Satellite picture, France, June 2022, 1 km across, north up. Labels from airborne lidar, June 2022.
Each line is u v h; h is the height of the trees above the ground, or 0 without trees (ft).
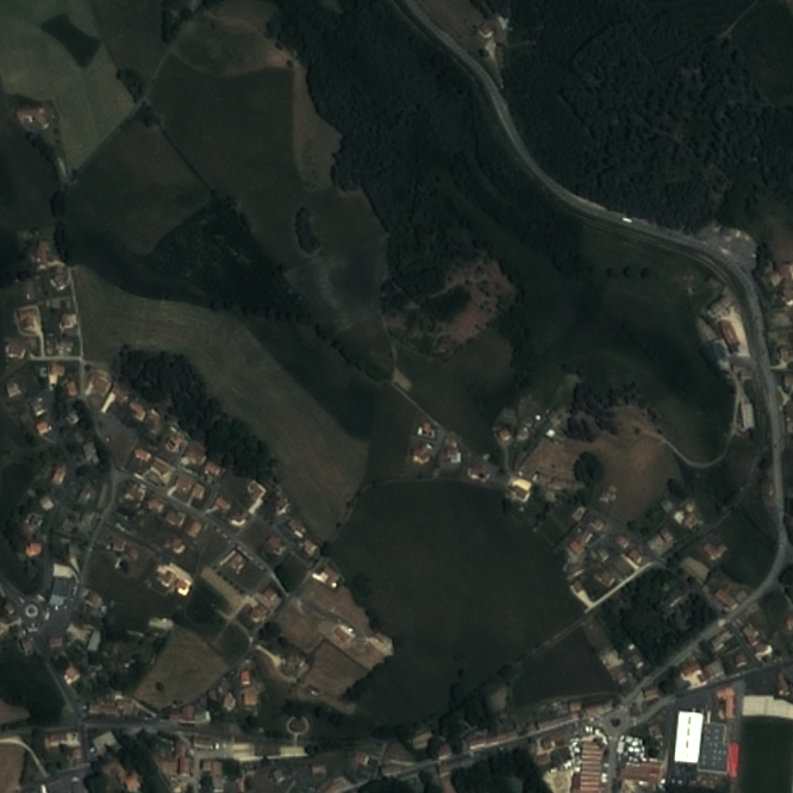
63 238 48
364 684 50
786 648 0
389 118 54
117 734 20
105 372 0
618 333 0
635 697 0
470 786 74
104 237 0
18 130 0
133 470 0
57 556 27
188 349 0
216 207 21
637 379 0
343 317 0
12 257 0
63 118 0
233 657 0
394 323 0
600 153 20
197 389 25
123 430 0
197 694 0
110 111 0
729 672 32
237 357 0
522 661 22
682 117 89
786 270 0
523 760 60
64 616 0
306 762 0
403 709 0
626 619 48
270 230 0
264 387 0
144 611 0
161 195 0
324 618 0
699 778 0
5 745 0
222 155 0
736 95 64
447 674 0
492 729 27
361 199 0
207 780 36
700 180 37
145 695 0
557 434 0
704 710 0
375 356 0
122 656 21
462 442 0
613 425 55
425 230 32
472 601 0
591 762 0
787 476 0
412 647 0
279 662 0
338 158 53
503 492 0
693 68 85
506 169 71
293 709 59
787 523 30
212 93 0
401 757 0
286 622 0
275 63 0
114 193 0
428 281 78
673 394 0
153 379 33
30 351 0
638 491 0
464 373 0
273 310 47
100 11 0
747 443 0
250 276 25
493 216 45
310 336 0
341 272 0
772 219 0
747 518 0
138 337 0
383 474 0
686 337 0
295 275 0
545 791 37
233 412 0
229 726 0
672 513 0
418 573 0
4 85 0
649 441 0
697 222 26
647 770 0
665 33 51
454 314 33
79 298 0
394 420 0
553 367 0
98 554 0
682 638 51
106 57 0
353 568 0
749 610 0
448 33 0
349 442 0
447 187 0
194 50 0
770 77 0
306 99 0
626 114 94
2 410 0
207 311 0
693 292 0
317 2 64
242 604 0
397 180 86
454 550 0
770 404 0
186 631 0
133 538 0
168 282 0
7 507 0
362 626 0
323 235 0
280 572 61
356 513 0
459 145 62
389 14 65
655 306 0
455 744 41
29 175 0
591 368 0
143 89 30
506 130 0
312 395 0
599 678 0
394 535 0
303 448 0
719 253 0
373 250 0
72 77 0
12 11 0
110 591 0
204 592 0
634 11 74
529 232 53
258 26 0
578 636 0
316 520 0
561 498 26
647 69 102
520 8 39
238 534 0
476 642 0
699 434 0
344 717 40
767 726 0
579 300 0
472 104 48
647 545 0
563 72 22
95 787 108
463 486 0
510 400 0
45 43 0
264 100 0
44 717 54
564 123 27
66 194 28
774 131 56
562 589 0
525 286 75
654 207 57
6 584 0
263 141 0
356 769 0
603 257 0
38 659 18
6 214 0
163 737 28
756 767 0
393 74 68
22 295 0
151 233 0
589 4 49
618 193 54
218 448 51
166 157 0
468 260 26
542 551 0
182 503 0
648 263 0
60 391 40
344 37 60
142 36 0
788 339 0
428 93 68
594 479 70
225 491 0
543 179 0
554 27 34
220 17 0
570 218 24
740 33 0
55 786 0
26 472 0
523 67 27
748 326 0
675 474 0
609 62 99
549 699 0
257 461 44
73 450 39
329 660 0
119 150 0
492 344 0
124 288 27
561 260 52
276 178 0
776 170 86
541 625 0
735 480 0
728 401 0
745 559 0
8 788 0
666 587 46
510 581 0
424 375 0
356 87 66
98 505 0
